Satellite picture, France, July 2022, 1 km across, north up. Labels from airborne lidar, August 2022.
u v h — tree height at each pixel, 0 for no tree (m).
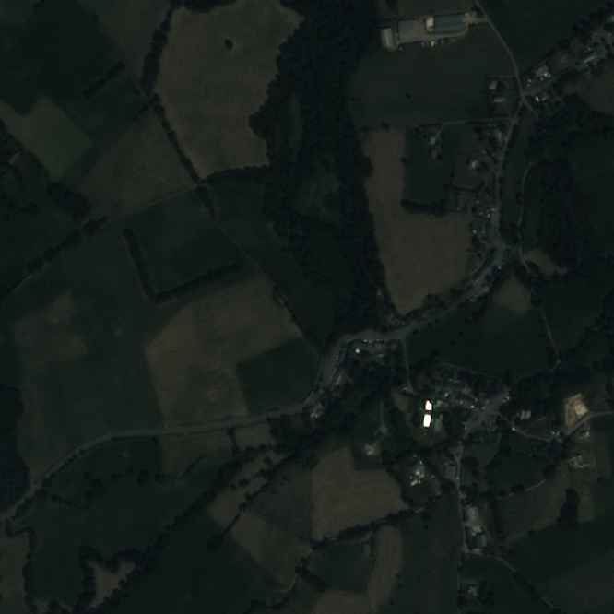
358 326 12
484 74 0
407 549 0
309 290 0
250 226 0
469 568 0
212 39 0
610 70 0
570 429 0
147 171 0
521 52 0
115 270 0
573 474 0
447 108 0
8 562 0
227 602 0
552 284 11
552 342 13
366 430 0
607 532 0
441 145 6
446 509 0
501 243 0
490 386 9
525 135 0
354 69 16
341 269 0
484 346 0
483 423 6
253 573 0
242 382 0
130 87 0
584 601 0
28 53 0
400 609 0
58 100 0
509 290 0
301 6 12
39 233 0
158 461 0
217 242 0
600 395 0
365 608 0
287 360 0
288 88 18
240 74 0
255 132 21
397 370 16
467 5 0
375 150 0
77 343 0
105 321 0
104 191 0
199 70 0
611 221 0
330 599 0
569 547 0
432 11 0
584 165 0
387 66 0
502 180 12
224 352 0
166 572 0
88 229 16
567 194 34
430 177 0
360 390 17
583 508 0
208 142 0
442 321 0
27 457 0
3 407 20
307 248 7
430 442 0
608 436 0
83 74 0
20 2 0
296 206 0
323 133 27
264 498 0
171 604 0
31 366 0
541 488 0
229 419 0
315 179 0
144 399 0
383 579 0
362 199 15
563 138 0
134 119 7
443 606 0
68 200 14
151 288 16
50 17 0
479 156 0
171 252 0
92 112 0
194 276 0
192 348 0
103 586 0
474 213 8
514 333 0
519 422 15
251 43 0
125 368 0
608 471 0
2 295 20
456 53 0
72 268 0
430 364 18
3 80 0
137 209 0
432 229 0
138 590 0
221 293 0
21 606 0
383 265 16
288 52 20
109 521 0
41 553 0
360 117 0
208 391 0
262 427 0
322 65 18
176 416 0
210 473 0
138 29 0
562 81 15
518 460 0
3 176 10
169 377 0
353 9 26
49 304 0
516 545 0
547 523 0
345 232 13
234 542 0
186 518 14
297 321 11
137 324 0
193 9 18
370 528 9
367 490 0
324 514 0
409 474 0
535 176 0
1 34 0
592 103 0
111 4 0
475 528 0
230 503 0
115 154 0
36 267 17
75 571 0
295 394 0
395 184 0
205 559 0
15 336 0
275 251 0
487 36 0
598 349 0
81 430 0
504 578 0
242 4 0
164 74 0
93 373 0
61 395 0
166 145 0
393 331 8
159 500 0
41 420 0
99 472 0
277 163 12
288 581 0
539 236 14
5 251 0
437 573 0
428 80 0
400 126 0
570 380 19
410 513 10
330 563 0
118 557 14
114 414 0
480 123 7
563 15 0
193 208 0
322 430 17
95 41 0
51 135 0
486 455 0
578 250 25
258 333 0
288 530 0
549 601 0
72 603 0
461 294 14
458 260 0
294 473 0
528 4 0
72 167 0
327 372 0
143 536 0
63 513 0
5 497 17
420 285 0
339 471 0
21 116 0
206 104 0
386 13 0
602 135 7
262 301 0
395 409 18
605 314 8
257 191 0
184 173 0
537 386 20
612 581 0
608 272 14
